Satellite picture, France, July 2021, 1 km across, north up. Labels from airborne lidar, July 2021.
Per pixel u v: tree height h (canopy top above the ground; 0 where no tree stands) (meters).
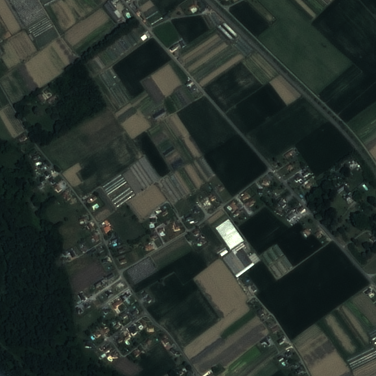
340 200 0
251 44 0
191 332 0
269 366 0
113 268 0
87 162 0
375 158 0
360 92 0
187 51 0
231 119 0
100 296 0
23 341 27
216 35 0
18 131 0
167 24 0
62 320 29
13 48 0
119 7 0
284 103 0
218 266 0
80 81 10
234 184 0
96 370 15
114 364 0
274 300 0
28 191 36
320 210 26
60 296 19
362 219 41
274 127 0
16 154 0
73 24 0
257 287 0
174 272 0
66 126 11
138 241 6
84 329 0
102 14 0
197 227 11
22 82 0
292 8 0
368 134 0
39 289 25
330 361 0
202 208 0
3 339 10
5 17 0
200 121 0
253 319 0
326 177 11
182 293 0
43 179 12
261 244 0
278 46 0
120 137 0
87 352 0
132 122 0
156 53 0
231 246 0
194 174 0
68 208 0
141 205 0
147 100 0
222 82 0
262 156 0
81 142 0
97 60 0
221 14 0
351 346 0
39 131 21
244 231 0
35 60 0
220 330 0
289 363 9
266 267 0
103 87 0
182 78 0
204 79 0
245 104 0
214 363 0
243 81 0
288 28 0
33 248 27
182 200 0
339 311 0
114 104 0
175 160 0
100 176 0
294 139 0
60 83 13
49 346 27
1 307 22
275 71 0
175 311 0
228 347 0
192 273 0
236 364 0
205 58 0
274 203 13
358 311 0
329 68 0
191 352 0
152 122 0
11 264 27
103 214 0
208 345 0
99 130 0
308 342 0
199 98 0
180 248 0
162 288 0
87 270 0
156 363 0
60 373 18
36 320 12
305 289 0
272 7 0
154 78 0
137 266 0
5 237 19
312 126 0
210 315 0
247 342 0
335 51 0
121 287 0
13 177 33
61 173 0
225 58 0
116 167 0
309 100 0
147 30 0
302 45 0
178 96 0
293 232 0
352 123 0
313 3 0
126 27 29
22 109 18
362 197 18
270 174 6
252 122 0
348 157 14
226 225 0
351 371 0
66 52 0
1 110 0
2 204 21
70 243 0
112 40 26
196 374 0
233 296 0
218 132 0
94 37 0
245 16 0
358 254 10
